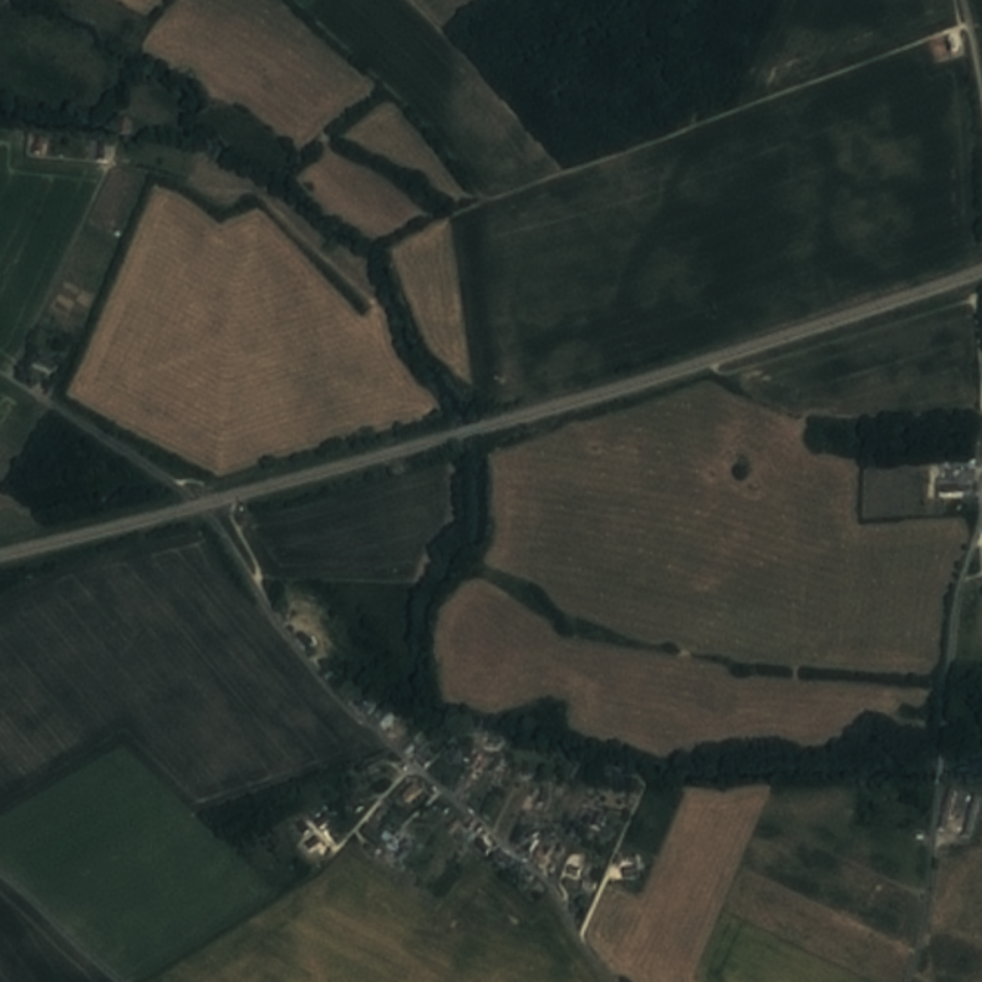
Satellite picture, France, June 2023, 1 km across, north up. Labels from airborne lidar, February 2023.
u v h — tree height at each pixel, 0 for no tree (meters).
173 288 0
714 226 0
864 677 6
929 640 0
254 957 0
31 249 0
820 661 0
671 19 22
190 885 0
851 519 0
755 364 0
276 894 0
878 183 0
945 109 0
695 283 0
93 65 0
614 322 0
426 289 0
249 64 0
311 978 0
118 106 15
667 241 0
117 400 0
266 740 0
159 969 0
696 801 0
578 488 0
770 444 0
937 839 0
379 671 12
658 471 0
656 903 0
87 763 0
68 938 0
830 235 0
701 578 0
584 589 0
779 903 0
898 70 0
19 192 0
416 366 14
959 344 0
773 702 0
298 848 0
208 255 0
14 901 0
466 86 0
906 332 0
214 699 0
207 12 0
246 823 7
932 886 0
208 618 0
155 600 0
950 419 10
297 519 0
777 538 0
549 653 0
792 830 0
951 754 18
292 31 0
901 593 0
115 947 0
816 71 0
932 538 0
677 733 0
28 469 11
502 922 0
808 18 0
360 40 0
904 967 0
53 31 0
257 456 0
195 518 0
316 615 0
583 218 0
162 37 0
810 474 0
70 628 0
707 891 0
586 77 16
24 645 0
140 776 0
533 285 0
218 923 0
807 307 0
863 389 0
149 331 0
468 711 9
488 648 0
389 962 0
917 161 0
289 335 0
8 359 0
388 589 0
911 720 0
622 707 0
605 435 0
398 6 0
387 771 9
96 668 0
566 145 14
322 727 0
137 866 0
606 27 19
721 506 0
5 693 0
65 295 0
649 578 0
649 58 22
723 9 21
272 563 0
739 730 0
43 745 0
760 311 0
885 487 0
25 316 0
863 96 0
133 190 0
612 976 0
